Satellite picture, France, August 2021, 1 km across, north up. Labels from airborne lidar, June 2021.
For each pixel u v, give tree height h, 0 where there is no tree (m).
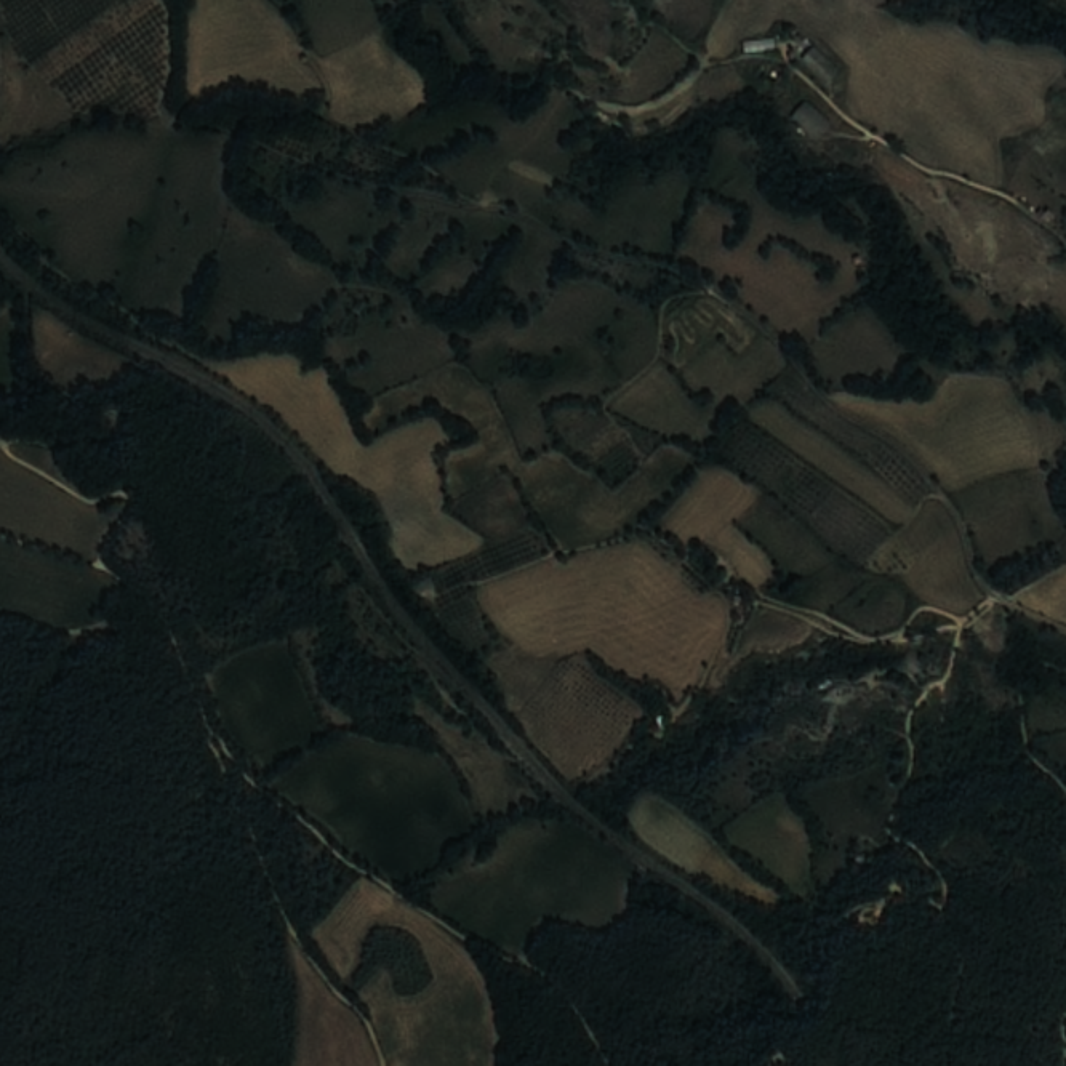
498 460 0
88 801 12
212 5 0
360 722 12
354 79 0
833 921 6
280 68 0
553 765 7
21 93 0
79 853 10
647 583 0
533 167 0
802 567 0
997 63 0
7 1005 12
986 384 0
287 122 19
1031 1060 10
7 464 0
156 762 13
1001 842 10
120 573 13
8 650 18
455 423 16
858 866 13
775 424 0
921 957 8
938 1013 9
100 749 14
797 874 0
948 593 0
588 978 11
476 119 0
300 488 14
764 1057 9
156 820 11
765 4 0
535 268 0
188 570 11
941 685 0
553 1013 16
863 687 0
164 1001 5
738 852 11
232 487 14
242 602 14
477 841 8
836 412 0
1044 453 0
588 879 0
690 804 9
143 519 13
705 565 6
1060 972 11
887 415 0
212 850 10
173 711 12
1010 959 12
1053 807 8
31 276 7
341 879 7
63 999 9
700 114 13
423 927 0
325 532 12
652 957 12
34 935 14
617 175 14
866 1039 13
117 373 0
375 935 10
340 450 0
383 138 14
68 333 0
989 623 0
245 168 15
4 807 11
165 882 9
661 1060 15
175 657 11
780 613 0
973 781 11
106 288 11
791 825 0
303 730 0
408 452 0
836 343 0
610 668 8
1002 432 0
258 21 0
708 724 8
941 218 0
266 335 15
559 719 0
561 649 0
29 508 0
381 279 9
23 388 17
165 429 10
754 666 6
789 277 0
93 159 0
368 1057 0
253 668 0
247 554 11
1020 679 19
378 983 0
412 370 0
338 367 11
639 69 0
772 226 0
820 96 0
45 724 11
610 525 0
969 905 13
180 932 7
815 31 0
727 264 0
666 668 0
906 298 16
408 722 18
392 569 15
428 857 0
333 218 0
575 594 0
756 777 7
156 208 0
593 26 0
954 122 0
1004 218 0
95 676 10
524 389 0
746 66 0
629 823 16
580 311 0
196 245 0
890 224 16
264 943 11
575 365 0
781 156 12
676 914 19
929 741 6
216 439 11
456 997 0
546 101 15
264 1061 7
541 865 0
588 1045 13
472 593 10
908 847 7
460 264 0
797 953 11
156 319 12
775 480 0
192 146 0
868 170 6
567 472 0
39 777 12
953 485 0
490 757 0
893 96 0
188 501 10
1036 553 7
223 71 0
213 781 10
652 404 0
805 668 11
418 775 0
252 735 0
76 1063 10
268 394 0
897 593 0
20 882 14
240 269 0
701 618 0
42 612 0
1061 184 0
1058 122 0
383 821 0
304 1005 0
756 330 0
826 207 11
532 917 0
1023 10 15
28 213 0
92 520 0
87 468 15
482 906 0
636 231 0
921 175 0
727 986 12
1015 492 0
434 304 11
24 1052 11
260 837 11
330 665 13
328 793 0
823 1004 9
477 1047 0
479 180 0
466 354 12
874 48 0
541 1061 18
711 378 0
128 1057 7
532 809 13
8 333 0
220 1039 7
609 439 0
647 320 0
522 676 0
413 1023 0
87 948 10
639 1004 12
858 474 0
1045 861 10
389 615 9
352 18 0
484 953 12
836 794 0
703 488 0
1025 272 0
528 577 0
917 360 10
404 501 0
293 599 12
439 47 9
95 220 0
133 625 13
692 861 0
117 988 6
